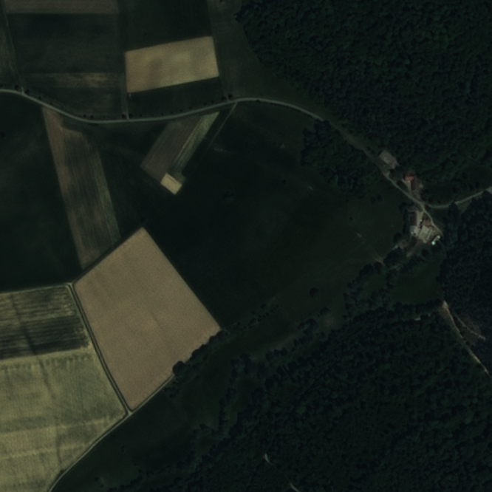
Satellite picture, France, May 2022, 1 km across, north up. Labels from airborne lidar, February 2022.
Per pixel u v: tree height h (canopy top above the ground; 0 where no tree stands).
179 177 0
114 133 0
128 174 0
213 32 0
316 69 27
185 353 0
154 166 0
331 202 0
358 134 26
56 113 0
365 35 27
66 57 0
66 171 0
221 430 12
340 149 23
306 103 0
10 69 0
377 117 25
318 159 27
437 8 29
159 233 0
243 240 0
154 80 0
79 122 0
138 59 0
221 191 0
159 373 0
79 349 0
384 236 0
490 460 38
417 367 27
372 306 22
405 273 21
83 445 0
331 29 29
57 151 0
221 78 0
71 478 0
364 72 30
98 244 0
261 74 0
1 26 0
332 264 0
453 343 27
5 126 0
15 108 0
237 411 0
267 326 0
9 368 0
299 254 0
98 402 0
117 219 0
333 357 7
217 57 0
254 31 23
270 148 0
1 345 0
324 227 0
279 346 0
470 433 30
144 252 0
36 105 0
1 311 0
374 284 0
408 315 19
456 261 21
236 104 0
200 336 0
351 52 29
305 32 28
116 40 0
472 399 32
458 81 24
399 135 26
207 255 0
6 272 0
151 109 0
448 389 29
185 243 0
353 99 25
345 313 0
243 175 0
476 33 31
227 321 0
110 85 0
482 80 30
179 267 0
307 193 0
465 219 19
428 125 25
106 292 0
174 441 0
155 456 0
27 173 0
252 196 0
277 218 0
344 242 0
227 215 0
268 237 0
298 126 0
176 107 0
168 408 0
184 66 0
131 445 0
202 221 0
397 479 27
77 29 0
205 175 0
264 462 14
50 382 0
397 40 30
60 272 0
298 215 0
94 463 0
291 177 0
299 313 0
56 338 0
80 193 0
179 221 0
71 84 0
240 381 0
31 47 0
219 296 0
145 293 0
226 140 0
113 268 0
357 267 0
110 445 0
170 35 0
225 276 0
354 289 20
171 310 0
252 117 0
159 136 0
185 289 0
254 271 0
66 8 0
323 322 0
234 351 0
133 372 0
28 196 0
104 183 0
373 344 27
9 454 0
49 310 0
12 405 0
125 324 0
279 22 27
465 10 29
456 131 26
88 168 0
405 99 29
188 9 0
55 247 0
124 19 0
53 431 0
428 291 0
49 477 0
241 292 0
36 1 0
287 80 21
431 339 19
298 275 0
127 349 0
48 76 0
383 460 30
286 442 29
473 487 30
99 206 0
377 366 27
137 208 0
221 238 0
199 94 0
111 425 0
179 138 0
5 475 0
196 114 0
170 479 0
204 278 0
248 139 0
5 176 0
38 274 0
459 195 20
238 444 0
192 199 0
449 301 28
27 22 0
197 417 0
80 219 0
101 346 0
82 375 0
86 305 0
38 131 0
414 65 30
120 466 0
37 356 0
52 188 0
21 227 0
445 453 29
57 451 0
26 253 0
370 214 0
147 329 0
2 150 0
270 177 0
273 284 0
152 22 0
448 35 30
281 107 0
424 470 30
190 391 0
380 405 14
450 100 30
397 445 30
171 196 0
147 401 0
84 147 0
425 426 29
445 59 28
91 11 0
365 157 25
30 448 0
